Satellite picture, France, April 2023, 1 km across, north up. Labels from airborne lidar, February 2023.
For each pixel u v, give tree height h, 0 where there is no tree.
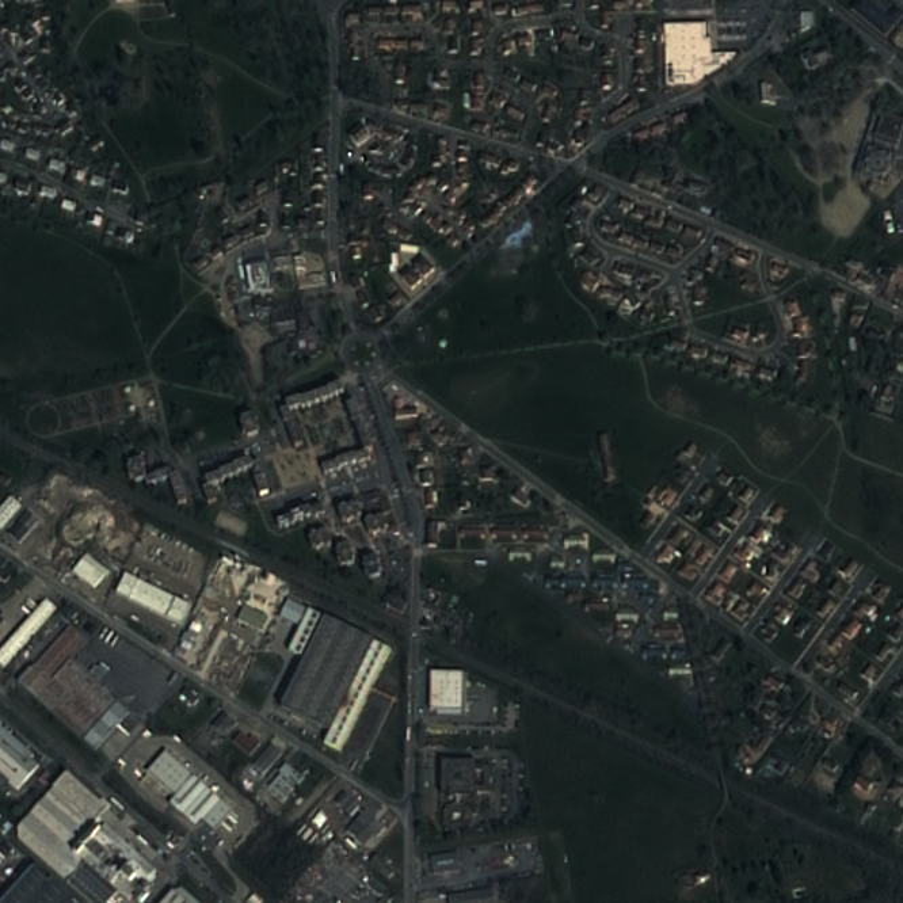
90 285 0
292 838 13
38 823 0
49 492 0
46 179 0
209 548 0
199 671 0
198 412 0
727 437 0
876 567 0
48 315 0
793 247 0
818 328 0
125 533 0
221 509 0
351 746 0
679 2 0
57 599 0
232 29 11
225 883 0
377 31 0
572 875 0
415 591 0
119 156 0
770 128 0
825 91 10
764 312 0
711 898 0
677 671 0
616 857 0
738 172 19
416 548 0
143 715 0
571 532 0
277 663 0
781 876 21
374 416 7
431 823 0
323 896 0
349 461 0
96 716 0
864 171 0
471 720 0
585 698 8
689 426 0
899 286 0
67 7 9
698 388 0
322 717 0
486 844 0
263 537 0
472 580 0
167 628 0
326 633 0
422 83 0
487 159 0
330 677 0
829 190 0
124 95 33
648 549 0
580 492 0
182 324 0
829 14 12
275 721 0
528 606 0
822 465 0
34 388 0
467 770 0
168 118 0
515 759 0
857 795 0
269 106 0
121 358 0
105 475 6
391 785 0
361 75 8
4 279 0
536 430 0
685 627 11
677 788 0
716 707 7
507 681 0
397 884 0
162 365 7
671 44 0
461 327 0
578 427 0
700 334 0
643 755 12
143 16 0
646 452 0
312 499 0
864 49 22
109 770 0
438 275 0
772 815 12
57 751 0
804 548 0
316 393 0
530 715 0
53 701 0
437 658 0
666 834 0
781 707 17
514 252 0
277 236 0
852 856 13
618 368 0
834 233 0
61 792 0
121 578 0
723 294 0
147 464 12
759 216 17
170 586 0
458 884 0
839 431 0
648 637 0
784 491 0
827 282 0
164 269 0
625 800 0
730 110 0
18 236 0
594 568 0
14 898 0
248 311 0
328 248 0
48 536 0
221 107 0
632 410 0
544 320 0
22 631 0
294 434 0
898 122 0
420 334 0
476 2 0
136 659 0
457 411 0
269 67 11
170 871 0
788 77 8
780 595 0
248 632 0
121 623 0
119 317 0
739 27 0
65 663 0
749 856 0
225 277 0
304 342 0
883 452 0
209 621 0
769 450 0
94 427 0
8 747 0
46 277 0
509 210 8
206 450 0
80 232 8
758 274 0
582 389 0
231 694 0
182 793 0
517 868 0
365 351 0
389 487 0
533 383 0
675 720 0
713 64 0
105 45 0
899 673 0
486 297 0
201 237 0
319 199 0
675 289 0
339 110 0
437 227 0
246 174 0
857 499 0
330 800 0
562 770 0
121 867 0
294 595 0
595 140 0
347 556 0
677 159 17
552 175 13
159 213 8
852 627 0
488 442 0
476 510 0
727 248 0
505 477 10
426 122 0
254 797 7
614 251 0
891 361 10
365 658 0
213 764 13
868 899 13
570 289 0
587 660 0
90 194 0
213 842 0
